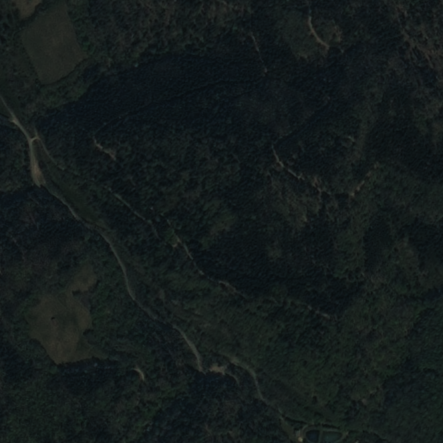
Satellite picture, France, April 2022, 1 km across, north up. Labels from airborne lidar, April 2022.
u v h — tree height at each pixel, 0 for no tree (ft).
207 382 34
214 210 69
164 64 64
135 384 91
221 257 62
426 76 53
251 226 56
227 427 84
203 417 102
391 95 69
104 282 49
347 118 30
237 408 61
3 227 55
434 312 86
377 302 42
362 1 51
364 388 90
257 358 81
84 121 53
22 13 0
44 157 22
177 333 41
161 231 61
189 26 30
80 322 0
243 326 59
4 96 62
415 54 32
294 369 75
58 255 86
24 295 94
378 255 54
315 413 42
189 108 59
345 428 55
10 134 78
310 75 77
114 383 87
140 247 56
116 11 74
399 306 118
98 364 66
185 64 60
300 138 45
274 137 54
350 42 83
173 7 76
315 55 38
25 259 68
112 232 33
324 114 48
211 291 67
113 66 32
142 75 66
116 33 66
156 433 100
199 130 63
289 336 41
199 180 52
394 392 105
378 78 52
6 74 28
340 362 75
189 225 35
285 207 54
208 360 83
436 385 58
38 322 0
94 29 30
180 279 58
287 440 92
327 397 107
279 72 71
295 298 34
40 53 0
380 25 81
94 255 66
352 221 65
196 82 81
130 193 47
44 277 84
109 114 62
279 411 45
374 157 78
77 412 74
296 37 30
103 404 91
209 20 64
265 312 80
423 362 76
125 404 93
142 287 63
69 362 0
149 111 46
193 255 51
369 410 91
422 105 47
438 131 55
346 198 62
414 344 91
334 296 47
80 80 66
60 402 90
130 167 67
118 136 38
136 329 70
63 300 0
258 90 58
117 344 48
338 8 63
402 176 75
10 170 74
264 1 70
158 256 45
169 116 51
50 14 0
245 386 80
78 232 85
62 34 0
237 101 53
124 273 52
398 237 38
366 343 88
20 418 80
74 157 61
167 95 66
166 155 53
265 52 65
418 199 69
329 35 36
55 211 92
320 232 78
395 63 65
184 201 52
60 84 20
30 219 106
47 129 77
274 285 41
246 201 49
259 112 65
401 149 70
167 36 63
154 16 71
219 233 38
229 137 72
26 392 82
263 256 73
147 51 52
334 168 65
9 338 60
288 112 55
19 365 104
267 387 52
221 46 61
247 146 56
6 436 83
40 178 0
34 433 73
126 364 61
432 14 68
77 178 47
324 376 87
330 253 84
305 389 73
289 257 69
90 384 79
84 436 66
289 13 59
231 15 64
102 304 60
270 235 53
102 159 66
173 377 87
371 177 35
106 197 52
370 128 62
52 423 71
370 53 47
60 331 0
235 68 69
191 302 41
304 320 59
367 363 82
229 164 63
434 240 30
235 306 70
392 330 111
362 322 76
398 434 89
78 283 0
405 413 78
